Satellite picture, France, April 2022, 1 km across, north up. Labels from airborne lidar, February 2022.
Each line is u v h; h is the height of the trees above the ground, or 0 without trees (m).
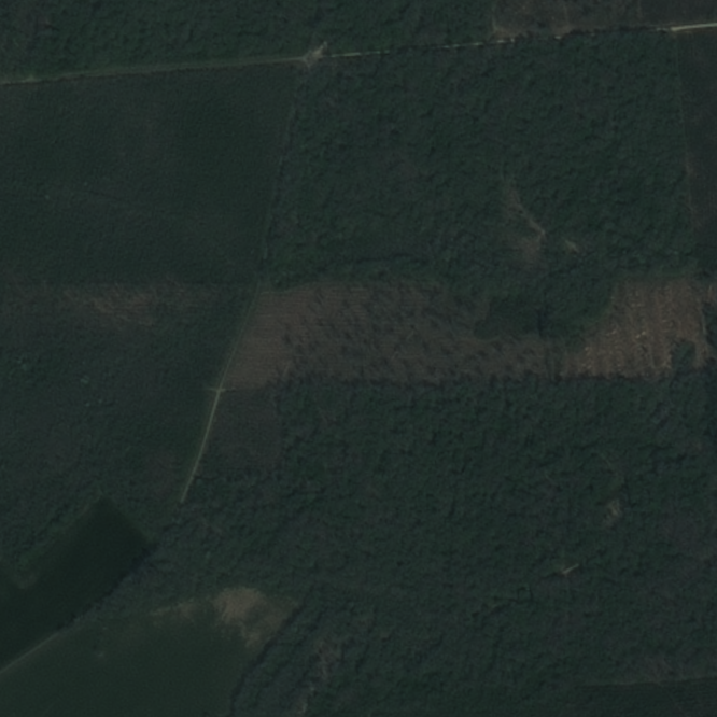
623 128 18
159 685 0
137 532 0
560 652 26
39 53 26
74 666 0
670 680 21
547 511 27
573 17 0
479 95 23
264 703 28
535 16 0
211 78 9
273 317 0
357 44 28
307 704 26
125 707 0
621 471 26
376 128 26
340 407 28
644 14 0
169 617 0
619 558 28
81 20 25
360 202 22
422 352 0
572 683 10
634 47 26
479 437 26
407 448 24
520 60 26
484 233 23
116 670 0
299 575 24
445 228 19
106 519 0
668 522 27
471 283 26
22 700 0
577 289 20
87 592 0
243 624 0
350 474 28
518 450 29
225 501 25
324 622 24
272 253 19
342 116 26
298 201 28
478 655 25
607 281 25
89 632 0
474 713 9
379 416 29
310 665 24
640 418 24
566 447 21
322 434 26
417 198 25
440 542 28
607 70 24
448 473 27
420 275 29
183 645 0
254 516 29
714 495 22
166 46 21
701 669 28
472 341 0
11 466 17
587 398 24
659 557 25
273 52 23
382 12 26
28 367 16
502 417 25
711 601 24
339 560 29
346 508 29
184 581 29
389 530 26
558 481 24
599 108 26
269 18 27
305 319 0
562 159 23
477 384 23
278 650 24
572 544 28
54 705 0
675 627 25
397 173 26
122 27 25
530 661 28
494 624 26
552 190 23
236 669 0
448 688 22
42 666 0
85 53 24
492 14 27
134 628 0
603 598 24
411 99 22
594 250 26
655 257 23
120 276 10
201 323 13
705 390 24
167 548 26
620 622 24
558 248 26
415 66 25
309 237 25
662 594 28
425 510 26
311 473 25
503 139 26
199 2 24
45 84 11
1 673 0
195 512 25
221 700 0
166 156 9
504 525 27
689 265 20
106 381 13
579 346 12
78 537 0
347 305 0
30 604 0
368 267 23
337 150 25
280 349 0
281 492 27
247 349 0
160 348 13
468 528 26
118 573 0
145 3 26
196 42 22
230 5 27
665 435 25
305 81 20
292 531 29
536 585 25
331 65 27
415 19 26
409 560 23
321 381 29
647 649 28
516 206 0
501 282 25
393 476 28
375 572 27
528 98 27
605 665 24
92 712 0
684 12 0
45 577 0
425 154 27
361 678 22
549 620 22
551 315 15
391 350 0
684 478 24
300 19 26
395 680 16
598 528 28
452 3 28
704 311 27
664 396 24
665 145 22
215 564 29
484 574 24
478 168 27
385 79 25
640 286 0
